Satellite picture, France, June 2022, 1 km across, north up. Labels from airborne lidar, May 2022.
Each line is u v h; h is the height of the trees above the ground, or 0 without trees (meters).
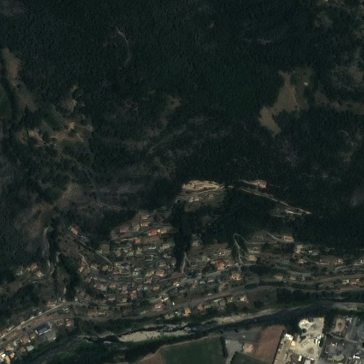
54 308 0
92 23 13
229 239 15
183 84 17
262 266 10
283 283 10
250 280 0
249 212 11
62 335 8
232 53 15
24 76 11
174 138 9
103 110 16
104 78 13
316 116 25
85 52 14
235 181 15
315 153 12
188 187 0
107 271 7
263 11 14
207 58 18
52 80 11
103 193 0
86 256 6
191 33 18
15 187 14
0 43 28
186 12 12
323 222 14
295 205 12
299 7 19
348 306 0
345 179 10
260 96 20
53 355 0
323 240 16
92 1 17
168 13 20
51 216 0
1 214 20
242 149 16
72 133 7
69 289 16
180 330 0
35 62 8
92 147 14
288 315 0
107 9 13
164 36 25
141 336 0
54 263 21
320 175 8
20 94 0
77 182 10
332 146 19
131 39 13
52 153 11
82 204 0
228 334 0
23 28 15
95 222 0
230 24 12
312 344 0
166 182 7
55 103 13
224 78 19
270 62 11
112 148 8
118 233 7
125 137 12
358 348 0
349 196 7
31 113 13
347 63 11
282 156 7
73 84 12
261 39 13
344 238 12
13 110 11
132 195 6
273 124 0
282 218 10
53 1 18
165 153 10
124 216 8
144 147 6
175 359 0
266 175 14
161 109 16
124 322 16
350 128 8
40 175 6
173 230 7
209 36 9
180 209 19
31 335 0
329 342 0
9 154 19
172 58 21
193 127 8
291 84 0
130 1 21
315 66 16
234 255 8
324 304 0
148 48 18
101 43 17
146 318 8
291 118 11
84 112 16
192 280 0
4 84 12
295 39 22
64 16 14
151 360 0
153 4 27
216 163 17
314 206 11
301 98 0
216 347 0
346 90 11
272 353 0
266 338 0
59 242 9
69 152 9
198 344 0
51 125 0
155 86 15
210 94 9
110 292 9
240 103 22
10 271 16
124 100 11
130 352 13
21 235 18
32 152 13
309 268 8
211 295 0
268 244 7
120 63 13
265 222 12
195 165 15
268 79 21
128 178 6
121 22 17
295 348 0
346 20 8
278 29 30
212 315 12
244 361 0
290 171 11
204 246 7
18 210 8
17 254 17
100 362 15
